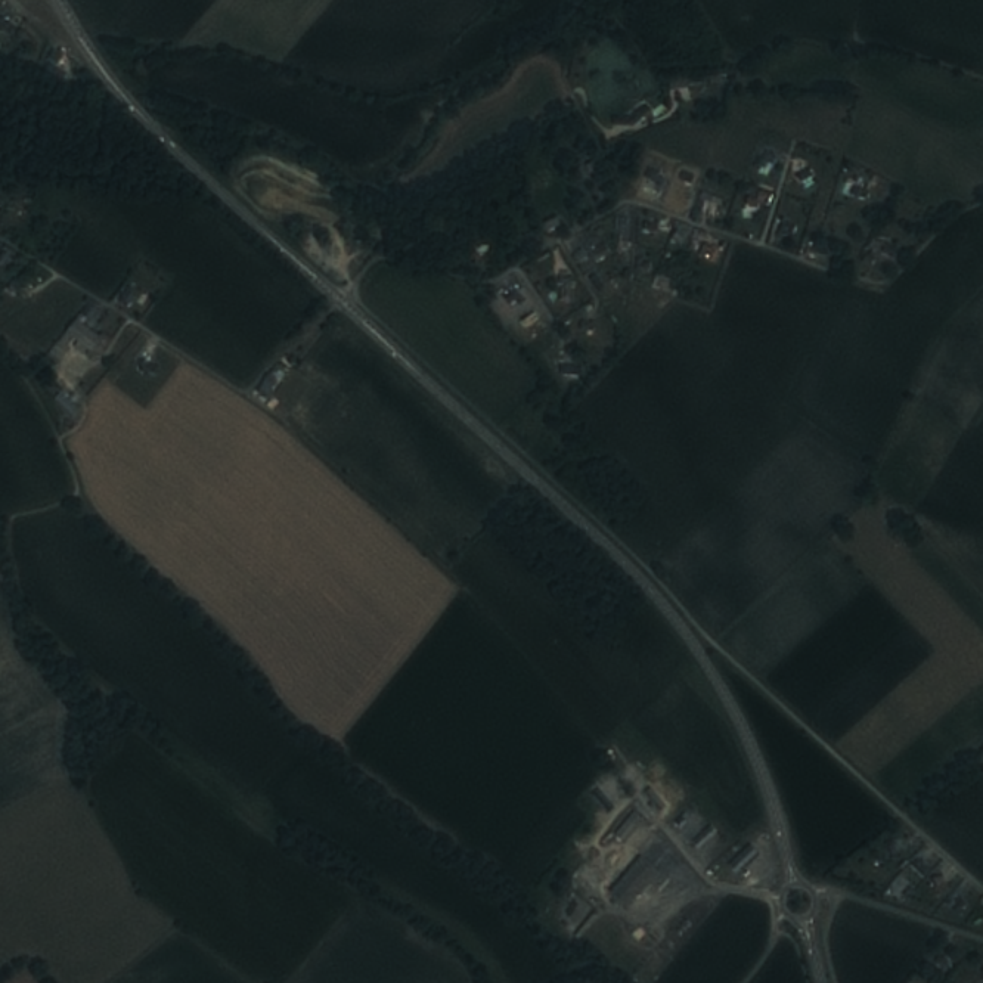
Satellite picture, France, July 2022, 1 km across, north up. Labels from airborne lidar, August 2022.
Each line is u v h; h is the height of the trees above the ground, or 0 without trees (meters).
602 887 0
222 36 0
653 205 0
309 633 0
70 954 0
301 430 0
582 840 0
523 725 0
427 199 28
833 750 0
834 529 16
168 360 0
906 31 0
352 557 0
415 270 24
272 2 0
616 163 8
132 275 6
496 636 0
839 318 0
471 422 0
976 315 0
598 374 12
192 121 16
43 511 0
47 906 0
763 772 0
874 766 0
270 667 0
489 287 8
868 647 0
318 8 0
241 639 0
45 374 19
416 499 0
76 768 27
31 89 22
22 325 0
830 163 9
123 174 27
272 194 0
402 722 0
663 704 0
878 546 0
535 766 0
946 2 0
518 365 0
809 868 0
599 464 12
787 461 0
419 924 17
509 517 21
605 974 21
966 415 0
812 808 0
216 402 0
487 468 0
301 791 0
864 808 0
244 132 16
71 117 21
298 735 18
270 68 11
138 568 16
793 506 0
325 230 18
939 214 9
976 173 0
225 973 0
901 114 0
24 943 0
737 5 0
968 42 0
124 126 22
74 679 27
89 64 0
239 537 0
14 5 0
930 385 0
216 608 0
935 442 0
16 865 0
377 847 0
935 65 12
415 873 0
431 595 0
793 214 0
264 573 0
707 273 0
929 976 13
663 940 0
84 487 0
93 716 22
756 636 0
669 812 0
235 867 0
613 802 0
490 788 0
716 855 0
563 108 20
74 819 0
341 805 0
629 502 14
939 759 0
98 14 0
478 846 0
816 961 0
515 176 21
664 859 0
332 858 13
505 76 6
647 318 0
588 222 6
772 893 0
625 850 0
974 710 0
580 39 18
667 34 8
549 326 0
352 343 0
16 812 0
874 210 13
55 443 11
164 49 9
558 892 18
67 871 0
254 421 0
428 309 0
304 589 0
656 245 0
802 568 0
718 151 0
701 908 0
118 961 0
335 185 10
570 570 23
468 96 21
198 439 0
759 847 0
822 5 0
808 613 0
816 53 0
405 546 0
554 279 6
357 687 0
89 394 0
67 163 31
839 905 0
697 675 0
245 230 15
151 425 0
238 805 0
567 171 7
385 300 0
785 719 0
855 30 0
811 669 0
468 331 0
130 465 0
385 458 0
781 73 0
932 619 0
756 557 0
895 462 0
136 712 24
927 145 0
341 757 16
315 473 0
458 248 26
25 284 7
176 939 0
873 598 0
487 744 0
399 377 0
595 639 22
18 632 14
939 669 0
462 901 0
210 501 0
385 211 25
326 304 9
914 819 6
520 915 22
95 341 0
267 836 0
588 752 0
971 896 0
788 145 0
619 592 18
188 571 0
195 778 0
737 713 0
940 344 0
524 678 0
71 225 5
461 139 0
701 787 0
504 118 0
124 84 0
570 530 13
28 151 18
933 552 0
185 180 23
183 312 0
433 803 0
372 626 0
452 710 0
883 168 0
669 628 0
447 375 0
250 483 0
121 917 0
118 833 0
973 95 0
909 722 0
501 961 0
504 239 9
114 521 0
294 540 0
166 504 0
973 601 0
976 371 0
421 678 0
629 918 0
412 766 0
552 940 20
